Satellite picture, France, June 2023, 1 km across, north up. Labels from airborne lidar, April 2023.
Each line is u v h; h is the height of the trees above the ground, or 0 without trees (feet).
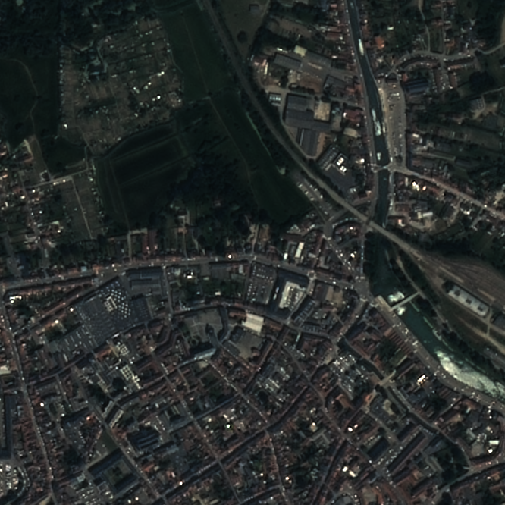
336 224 0
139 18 0
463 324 0
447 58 0
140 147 0
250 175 0
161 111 0
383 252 0
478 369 0
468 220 41
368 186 0
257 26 0
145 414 0
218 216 84
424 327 0
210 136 0
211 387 21
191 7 0
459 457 68
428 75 23
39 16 68
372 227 0
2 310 0
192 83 0
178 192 91
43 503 0
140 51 0
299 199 0
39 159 0
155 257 0
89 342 0
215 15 0
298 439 43
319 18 41
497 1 21
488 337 0
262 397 45
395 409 35
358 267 0
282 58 0
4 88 0
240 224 64
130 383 0
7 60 0
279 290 0
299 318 0
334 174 0
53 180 0
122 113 0
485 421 0
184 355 0
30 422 0
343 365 0
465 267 0
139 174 0
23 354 0
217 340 0
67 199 0
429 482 0
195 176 85
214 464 0
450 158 0
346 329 0
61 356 0
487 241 0
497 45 0
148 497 0
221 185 61
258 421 0
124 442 0
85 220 0
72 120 0
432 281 0
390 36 0
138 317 0
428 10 22
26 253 23
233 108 0
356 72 0
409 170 0
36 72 0
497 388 0
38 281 0
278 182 0
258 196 0
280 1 0
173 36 0
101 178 0
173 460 0
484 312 0
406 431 0
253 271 0
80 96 0
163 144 0
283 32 0
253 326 0
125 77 0
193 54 0
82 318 0
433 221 0
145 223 0
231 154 0
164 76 0
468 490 0
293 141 0
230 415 0
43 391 0
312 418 24
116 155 0
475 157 0
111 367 0
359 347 0
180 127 0
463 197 0
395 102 0
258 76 0
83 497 0
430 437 0
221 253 51
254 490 0
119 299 0
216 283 27
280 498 0
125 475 0
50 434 0
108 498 0
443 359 0
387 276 0
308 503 0
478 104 0
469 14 0
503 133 0
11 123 0
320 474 0
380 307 0
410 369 24
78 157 0
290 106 0
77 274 0
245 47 0
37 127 0
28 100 0
